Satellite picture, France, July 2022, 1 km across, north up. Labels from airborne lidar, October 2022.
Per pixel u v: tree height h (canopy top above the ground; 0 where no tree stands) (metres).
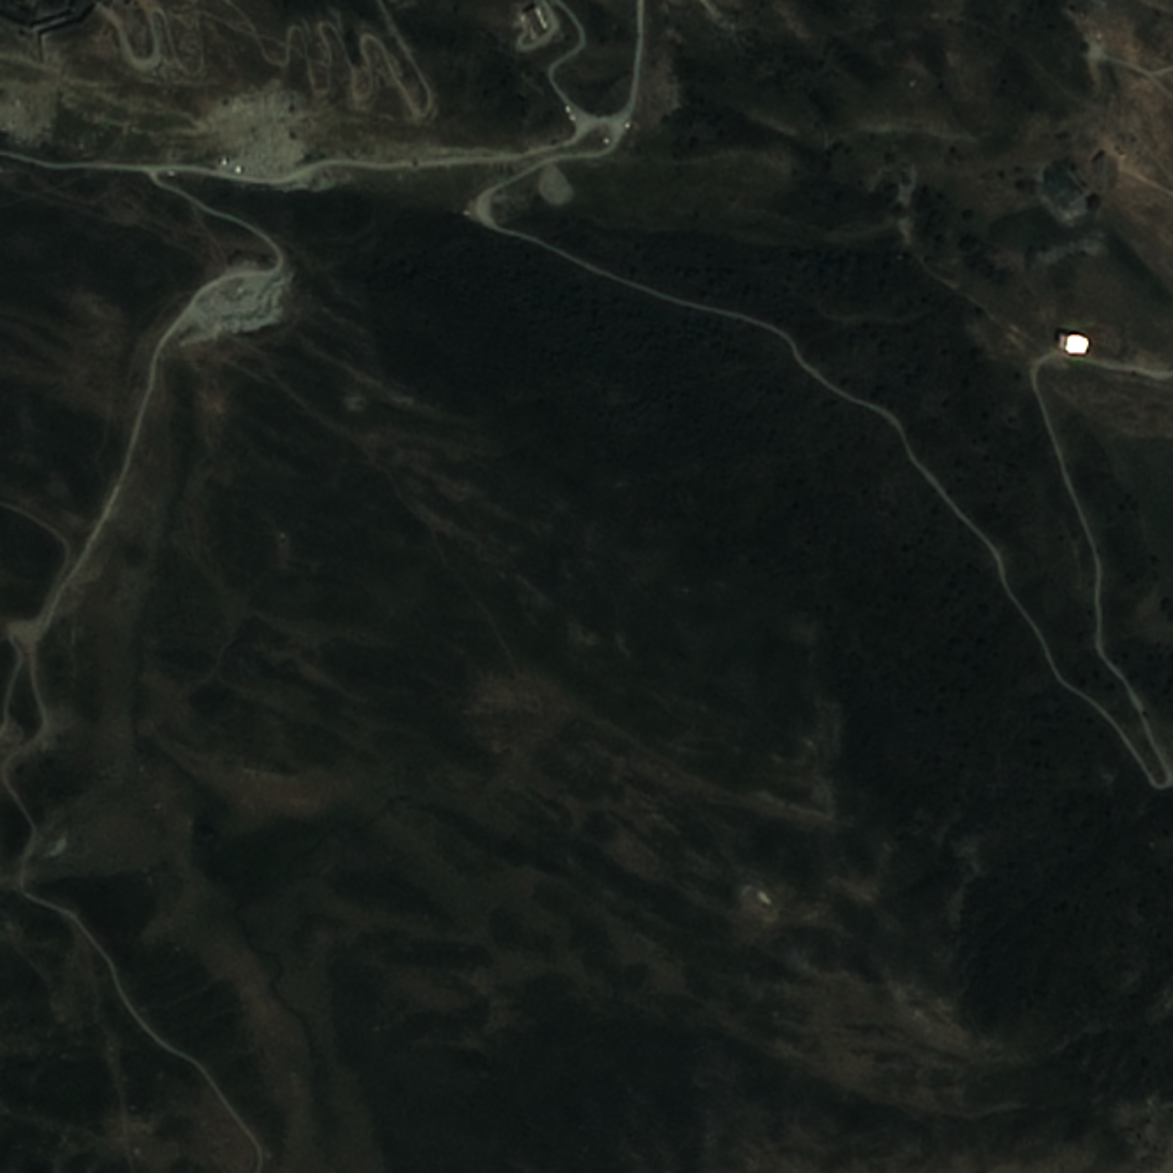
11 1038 0
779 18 0
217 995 0
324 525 0
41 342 0
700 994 0
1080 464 0
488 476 0
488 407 0
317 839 0
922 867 0
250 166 0
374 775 0
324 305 0
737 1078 0
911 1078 0
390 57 0
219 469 0
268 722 0
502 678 0
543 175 0
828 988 0
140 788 0
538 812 0
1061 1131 0
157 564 0
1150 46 0
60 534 0
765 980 0
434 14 0
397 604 0
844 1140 0
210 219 0
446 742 0
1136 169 0
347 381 0
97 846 0
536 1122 0
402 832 0
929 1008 0
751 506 0
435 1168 0
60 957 0
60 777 0
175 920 0
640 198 0
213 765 0
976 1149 0
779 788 0
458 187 0
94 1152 0
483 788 0
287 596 0
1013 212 0
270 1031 0
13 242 0
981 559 0
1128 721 0
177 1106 0
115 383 0
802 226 0
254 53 0
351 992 0
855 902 0
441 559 0
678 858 0
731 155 0
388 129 0
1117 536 0
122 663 0
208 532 0
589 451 0
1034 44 0
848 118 0
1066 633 0
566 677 0
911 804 0
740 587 0
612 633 0
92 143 0
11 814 0
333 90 0
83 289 0
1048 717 8
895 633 0
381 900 0
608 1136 0
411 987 0
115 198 0
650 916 0
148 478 0
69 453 0
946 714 7
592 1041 0
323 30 0
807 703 0
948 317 0
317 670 0
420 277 7
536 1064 0
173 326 0
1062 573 0
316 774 0
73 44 0
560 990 0
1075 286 0
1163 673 0
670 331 7
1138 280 0
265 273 0
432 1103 0
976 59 0
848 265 10
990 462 6
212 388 0
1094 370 0
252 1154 0
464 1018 0
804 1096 0
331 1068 0
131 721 0
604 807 0
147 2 0
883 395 6
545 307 7
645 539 0
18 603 0
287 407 0
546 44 0
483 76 0
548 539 0
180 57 0
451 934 0
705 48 0
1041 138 0
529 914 0
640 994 0
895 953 0
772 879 0
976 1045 0
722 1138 0
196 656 0
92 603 0
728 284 7
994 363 0
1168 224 0
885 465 0
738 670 0
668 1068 0
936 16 0
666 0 0
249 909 0
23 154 0
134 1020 0
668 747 0
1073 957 0
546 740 0
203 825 0
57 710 0
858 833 0
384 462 0
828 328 0
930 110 0
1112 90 0
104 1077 0
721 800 0
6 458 0
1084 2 0
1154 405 0
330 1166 0
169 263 0
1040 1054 0
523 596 0
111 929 0
